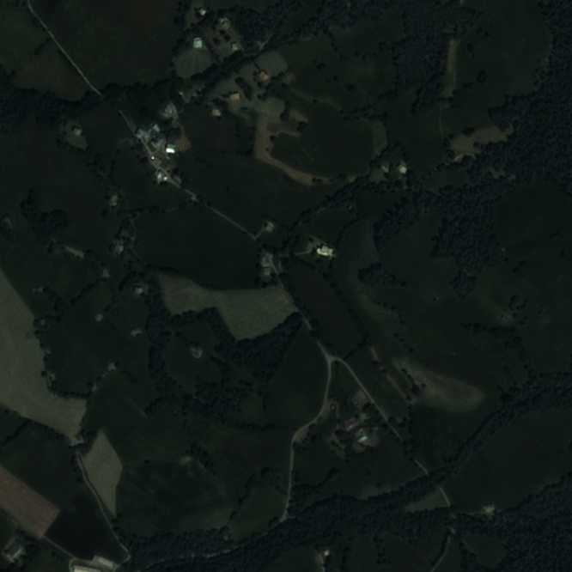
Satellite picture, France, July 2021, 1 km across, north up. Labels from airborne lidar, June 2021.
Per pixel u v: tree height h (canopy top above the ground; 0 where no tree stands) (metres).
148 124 0
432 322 0
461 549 10
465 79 0
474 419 0
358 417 7
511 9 0
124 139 0
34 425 16
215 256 0
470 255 17
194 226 0
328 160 0
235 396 14
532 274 0
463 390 0
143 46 0
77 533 0
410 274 0
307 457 0
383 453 0
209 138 0
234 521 0
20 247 0
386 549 9
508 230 0
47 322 10
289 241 12
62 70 0
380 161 11
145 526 0
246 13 16
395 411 0
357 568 0
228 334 23
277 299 0
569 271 0
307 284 0
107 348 0
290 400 0
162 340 17
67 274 0
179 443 0
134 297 0
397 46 13
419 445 16
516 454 0
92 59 0
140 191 0
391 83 0
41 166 0
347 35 0
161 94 18
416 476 0
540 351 0
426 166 0
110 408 0
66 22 0
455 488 0
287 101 8
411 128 0
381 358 0
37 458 0
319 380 0
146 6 0
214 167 0
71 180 0
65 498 0
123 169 0
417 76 16
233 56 7
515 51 0
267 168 0
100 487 0
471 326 12
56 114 17
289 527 18
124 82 0
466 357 0
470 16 15
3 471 0
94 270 0
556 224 0
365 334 12
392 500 19
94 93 13
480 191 17
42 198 0
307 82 0
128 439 0
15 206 0
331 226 0
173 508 0
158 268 7
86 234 0
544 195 0
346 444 7
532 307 0
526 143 18
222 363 21
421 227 0
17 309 0
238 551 11
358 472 0
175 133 7
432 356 0
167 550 7
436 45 22
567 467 0
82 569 0
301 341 0
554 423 0
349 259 0
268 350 25
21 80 0
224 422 13
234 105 0
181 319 20
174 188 0
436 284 0
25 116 15
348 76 0
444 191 11
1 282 0
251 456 0
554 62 15
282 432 0
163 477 0
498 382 0
